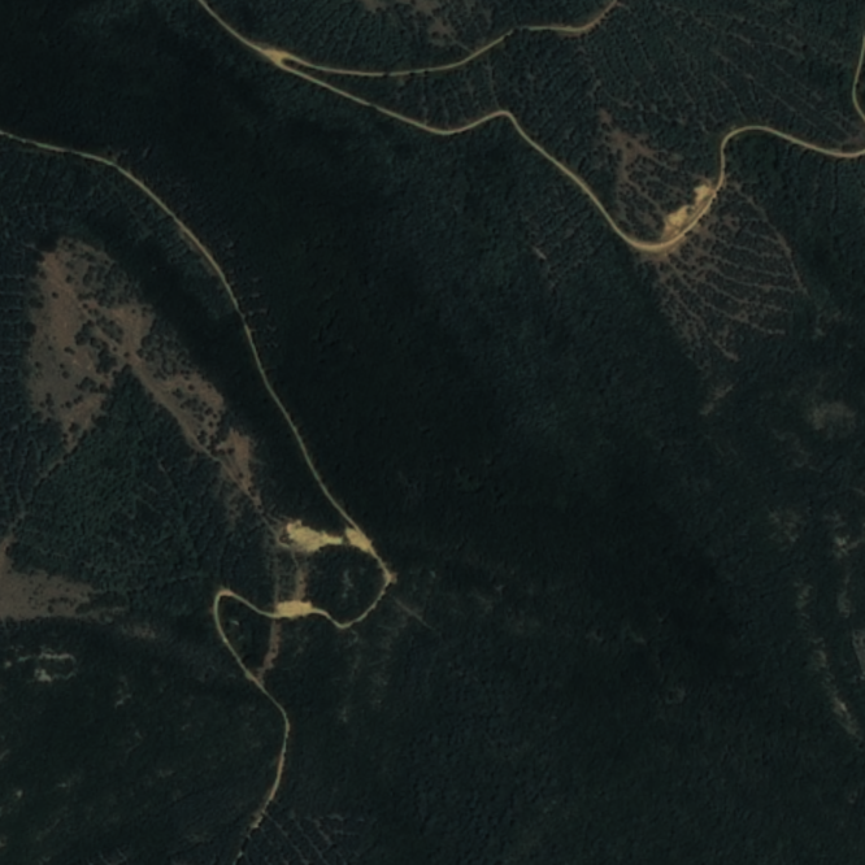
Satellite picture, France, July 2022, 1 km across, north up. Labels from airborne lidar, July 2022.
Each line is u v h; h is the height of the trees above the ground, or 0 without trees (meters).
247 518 12
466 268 8
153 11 14
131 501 17
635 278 6
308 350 25
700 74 15
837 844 8
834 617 10
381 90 11
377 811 11
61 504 13
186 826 13
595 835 10
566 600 9
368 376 24
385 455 24
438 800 9
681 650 21
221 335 18
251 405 18
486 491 22
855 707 11
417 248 13
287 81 16
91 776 8
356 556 10
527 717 15
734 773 8
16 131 12
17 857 7
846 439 8
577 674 12
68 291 0
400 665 6
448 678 9
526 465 15
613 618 15
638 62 16
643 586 26
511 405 17
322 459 17
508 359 12
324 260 22
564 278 11
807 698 14
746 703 12
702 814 7
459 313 14
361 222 16
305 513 8
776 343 14
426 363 19
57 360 0
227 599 11
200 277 18
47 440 16
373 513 18
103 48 12
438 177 8
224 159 14
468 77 15
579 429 13
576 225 8
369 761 8
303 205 20
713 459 12
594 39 13
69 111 17
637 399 7
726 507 12
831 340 11
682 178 10
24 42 27
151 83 14
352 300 16
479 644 9
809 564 11
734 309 9
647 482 18
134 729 7
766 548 6
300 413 18
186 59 19
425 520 15
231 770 9
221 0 9
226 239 18
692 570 26
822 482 8
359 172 17
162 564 20
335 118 14
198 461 8
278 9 10
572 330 13
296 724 8
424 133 12
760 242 11
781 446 9
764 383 7
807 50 16
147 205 10
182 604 19
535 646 8
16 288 16
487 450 21
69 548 16
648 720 14
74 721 13
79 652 6
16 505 13
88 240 10
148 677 6
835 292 10
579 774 17
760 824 11
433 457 26
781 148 18
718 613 16
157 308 9
